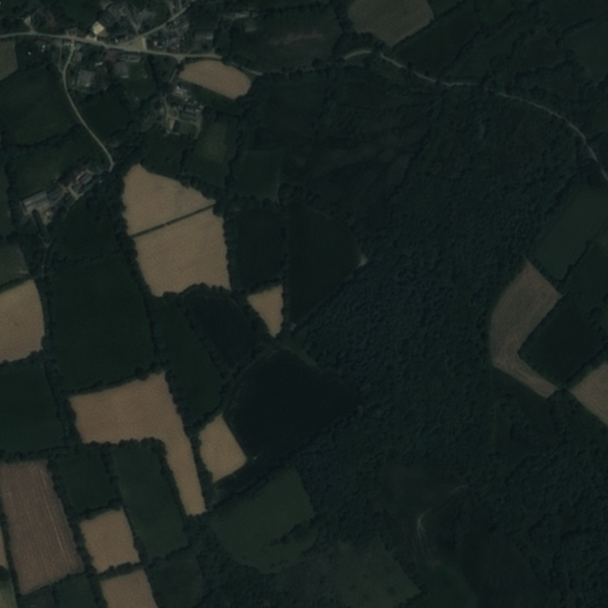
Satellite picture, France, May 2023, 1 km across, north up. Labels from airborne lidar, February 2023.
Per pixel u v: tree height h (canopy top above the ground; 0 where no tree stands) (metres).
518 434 15
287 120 0
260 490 17
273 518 0
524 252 12
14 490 0
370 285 22
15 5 0
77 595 0
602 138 9
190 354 0
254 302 0
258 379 0
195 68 0
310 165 0
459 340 11
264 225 0
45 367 15
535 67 0
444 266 17
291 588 0
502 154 0
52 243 6
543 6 7
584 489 14
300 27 0
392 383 15
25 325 0
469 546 0
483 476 16
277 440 0
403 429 15
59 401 13
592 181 20
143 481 0
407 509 0
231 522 0
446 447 16
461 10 11
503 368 0
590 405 0
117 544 0
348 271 0
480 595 0
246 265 0
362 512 14
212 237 0
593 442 7
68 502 10
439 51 0
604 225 0
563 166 11
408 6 0
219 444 0
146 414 0
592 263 0
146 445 13
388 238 16
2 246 11
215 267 0
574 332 0
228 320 0
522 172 0
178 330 0
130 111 7
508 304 0
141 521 0
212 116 14
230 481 0
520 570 0
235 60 15
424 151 15
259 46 0
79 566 0
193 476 0
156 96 8
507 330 0
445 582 0
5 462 14
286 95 0
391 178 0
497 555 0
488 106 17
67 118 0
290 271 0
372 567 0
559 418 10
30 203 0
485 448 16
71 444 17
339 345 13
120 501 11
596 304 0
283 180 0
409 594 0
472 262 14
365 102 0
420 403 16
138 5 0
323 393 0
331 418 0
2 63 0
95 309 0
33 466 0
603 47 0
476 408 13
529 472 12
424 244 15
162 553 0
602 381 0
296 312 0
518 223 17
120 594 0
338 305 16
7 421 0
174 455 0
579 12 0
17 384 0
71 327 0
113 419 0
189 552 10
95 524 0
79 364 0
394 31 0
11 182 9
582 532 13
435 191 10
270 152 0
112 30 8
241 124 23
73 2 0
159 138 0
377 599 0
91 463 0
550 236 0
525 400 0
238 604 15
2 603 0
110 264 0
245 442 0
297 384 0
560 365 0
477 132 14
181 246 0
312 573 0
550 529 15
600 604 16
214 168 0
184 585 0
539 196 19
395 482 0
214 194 17
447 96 16
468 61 0
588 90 19
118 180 19
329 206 13
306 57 0
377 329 16
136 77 0
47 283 13
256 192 0
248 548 0
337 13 15
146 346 0
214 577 8
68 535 0
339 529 15
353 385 13
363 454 15
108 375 0
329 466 28
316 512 14
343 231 0
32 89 0
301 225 0
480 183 17
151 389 0
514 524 19
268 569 0
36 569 0
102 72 0
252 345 0
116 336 0
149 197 0
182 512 7
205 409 0
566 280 8
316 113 0
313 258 0
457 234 7
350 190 0
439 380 18
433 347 18
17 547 0
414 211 10
